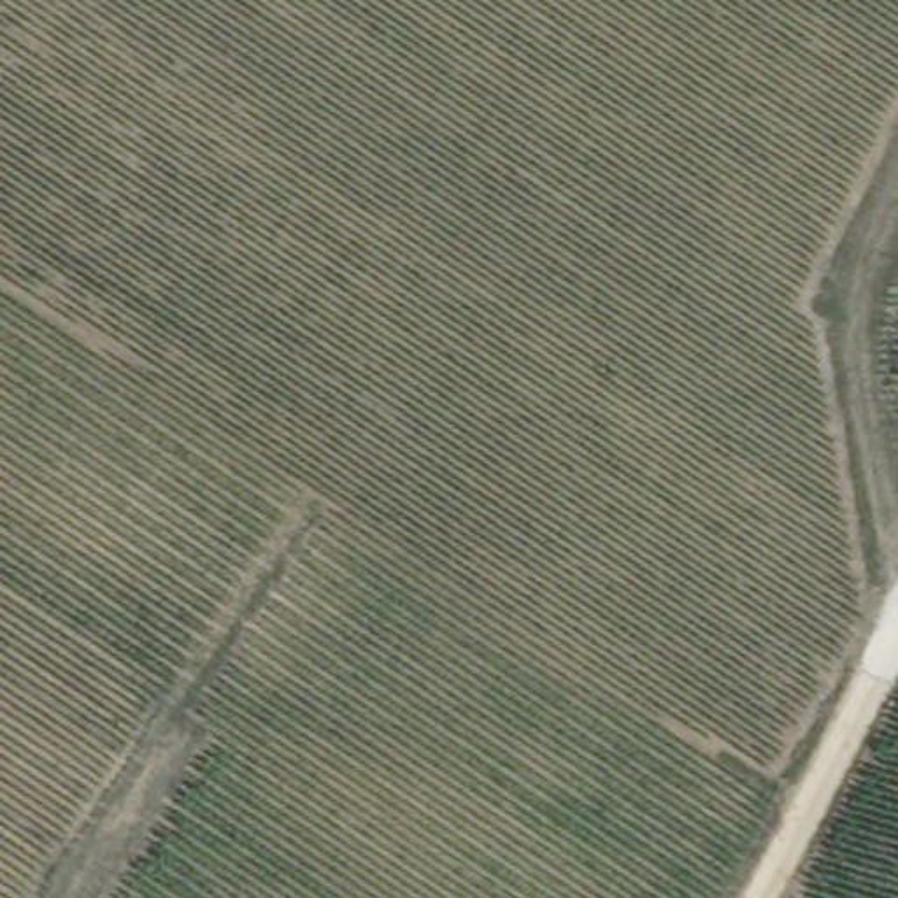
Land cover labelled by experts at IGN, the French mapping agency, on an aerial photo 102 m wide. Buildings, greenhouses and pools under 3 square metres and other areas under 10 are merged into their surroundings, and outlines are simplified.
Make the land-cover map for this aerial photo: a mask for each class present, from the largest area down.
<instances>
[{"label":"vineyard","instance_id":"1","mask_svg":"<svg viewBox=\"0 0 898 898\"><path fill-rule=\"evenodd\" d=\"M898 579V0H0V898H740L772 835L782 824V810L796 782L817 754L863 663L887 589ZM779 898H898V681L891 688L842 786L835 789L817 835L810 838L796 873L789 877Z\"/></svg>","mask_w":898,"mask_h":898},{"label":"pervious surface","instance_id":"2","mask_svg":"<svg viewBox=\"0 0 898 898\"><path fill-rule=\"evenodd\" d=\"M891 688L880 674H870L863 663L817 754L796 782L782 810V824L772 835L740 898H779L789 877L796 873L810 838L817 835L835 789L842 786Z\"/></svg>","mask_w":898,"mask_h":898},{"label":"impervious surface","instance_id":"3","mask_svg":"<svg viewBox=\"0 0 898 898\"><path fill-rule=\"evenodd\" d=\"M870 674H880L891 688L898 681V579L887 589L863 663Z\"/></svg>","mask_w":898,"mask_h":898}]
</instances>
